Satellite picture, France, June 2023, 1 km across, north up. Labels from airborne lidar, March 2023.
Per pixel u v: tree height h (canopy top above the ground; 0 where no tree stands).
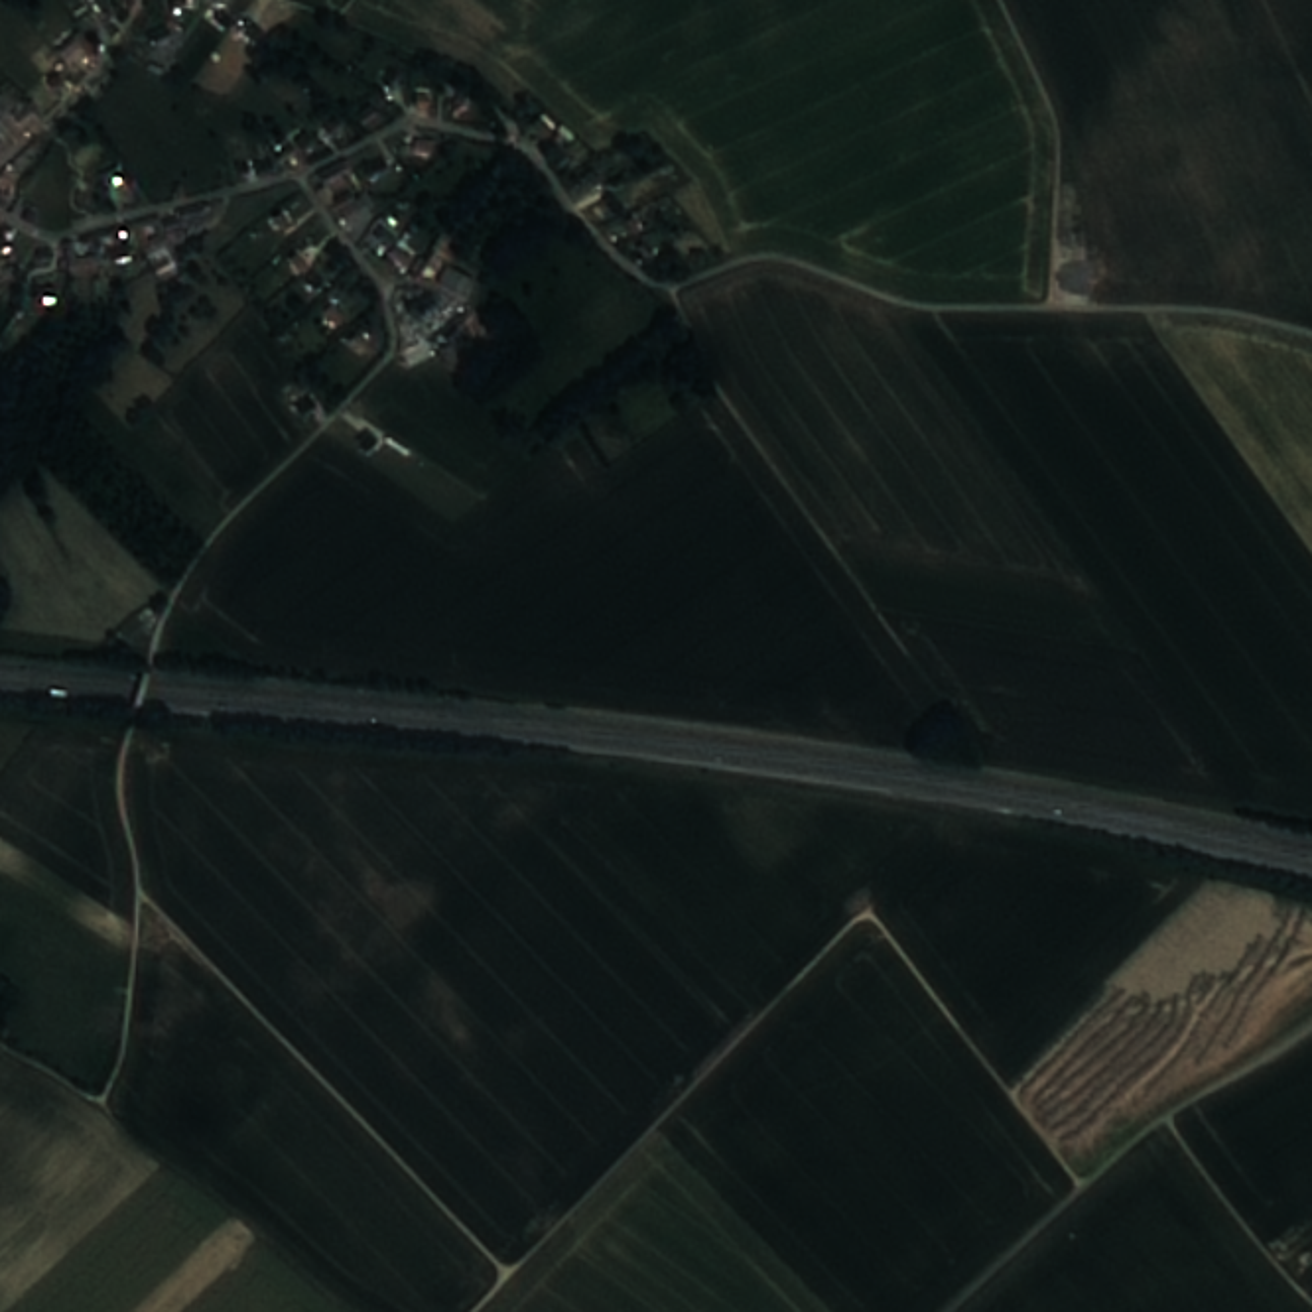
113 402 0
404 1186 0
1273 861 0
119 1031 0
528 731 0
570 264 0
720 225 0
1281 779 0
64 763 0
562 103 0
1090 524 0
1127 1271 0
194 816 0
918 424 0
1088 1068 0
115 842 0
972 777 0
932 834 0
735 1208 0
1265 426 0
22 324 0
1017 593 0
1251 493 0
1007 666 0
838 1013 0
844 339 0
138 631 0
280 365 0
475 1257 0
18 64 0
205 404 0
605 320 0
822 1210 0
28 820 0
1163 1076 0
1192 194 0
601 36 0
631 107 0
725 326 0
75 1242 0
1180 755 0
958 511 0
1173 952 0
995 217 0
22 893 0
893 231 0
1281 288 0
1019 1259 0
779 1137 0
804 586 0
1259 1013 0
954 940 0
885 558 0
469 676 0
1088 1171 0
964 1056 0
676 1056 0
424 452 0
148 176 0
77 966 0
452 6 0
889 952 0
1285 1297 0
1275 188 0
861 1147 0
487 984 0
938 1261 0
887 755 0
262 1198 0
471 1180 0
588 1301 0
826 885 0
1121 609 0
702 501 0
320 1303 0
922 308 0
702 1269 0
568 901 0
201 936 0
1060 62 0
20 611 0
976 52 0
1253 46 0
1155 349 0
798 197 0
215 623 0
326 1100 0
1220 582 0
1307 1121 0
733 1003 0
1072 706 0
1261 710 0
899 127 0
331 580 0
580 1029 0
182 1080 0
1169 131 0
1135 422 0
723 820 0
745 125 0
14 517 0
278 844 0
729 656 0
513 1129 0
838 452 0
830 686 0
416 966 0
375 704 0
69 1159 0
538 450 7
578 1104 0
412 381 0
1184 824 0
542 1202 0
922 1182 0
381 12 0
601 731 0
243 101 0
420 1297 0
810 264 0
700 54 0
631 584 0
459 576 0
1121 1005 0
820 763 0
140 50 0
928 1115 0
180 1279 0
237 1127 0
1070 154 0
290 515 0
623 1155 0
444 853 0
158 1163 0
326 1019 0
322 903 0
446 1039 0
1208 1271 0
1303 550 0
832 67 0
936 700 0
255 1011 0
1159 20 0
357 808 0
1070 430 0
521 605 0
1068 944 0
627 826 0
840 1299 0
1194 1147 0
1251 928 0
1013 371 0
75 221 0
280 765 0
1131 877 0
